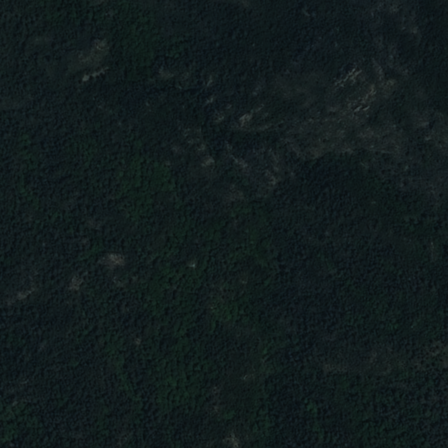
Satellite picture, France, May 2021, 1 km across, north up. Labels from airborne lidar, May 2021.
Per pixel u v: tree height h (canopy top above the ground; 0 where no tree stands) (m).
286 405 15
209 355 16
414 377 8
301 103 9
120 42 18
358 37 10
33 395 13
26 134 17
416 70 7
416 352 18
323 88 6
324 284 6
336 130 6
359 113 13
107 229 20
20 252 7
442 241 22
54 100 19
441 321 8
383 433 14
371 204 7
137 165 16
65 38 17
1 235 24
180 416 11
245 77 20
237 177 14
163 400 14
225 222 17
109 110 7
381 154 14
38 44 6
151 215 15
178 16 9
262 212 25
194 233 11
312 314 6
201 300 15
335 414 11
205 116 11
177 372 18
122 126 17
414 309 12
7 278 11
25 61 19
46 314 18
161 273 19
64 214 16
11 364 9
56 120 15
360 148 6
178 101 6
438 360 17
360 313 15
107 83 13
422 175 7
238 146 10
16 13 23
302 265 6
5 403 10
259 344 15
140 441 24
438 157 11
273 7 9
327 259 17
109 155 8
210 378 13
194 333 17
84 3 18
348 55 9
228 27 8
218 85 17
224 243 7
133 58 14
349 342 14
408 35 9
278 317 7
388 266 17
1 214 21
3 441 19
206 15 11
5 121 8
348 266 11
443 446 20
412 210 19
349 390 19
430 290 10
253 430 20
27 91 14
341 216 21
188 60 9
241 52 8
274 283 10
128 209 12
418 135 7
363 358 10
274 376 9
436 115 9
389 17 10
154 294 15
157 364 14
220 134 22
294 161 10
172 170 7
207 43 11
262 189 7
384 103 11
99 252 20
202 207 9
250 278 12
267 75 10
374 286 17
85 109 12
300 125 7
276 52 17
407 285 19
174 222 14
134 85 12
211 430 8
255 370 7
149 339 14
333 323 6
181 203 14
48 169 10
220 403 5
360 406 26
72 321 19
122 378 18
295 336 10
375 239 6
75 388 18
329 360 16
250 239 10
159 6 10
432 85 11
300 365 26
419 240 14
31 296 16
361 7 10
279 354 16
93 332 11
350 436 23
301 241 15
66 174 9
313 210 21
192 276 15
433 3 9
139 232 7
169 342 10
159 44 12
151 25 19
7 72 7
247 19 7
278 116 19
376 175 7
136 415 13
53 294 11
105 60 8
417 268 19
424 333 13
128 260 8
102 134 7
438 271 12
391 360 7
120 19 15
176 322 17
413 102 7
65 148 11
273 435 10
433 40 16
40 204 10
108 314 18
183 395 13
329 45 7
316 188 12
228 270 7
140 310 13
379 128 7
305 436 15
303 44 11
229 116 9
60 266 16
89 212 7
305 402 15
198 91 14
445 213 8
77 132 18
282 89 8
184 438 18
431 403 22
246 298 23
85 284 20
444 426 19
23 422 7
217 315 16
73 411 7
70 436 8
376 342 13
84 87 9
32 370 18
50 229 22
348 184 9
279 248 10
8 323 22
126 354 23
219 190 6
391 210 16
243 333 9
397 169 7
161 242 7
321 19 8
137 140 13
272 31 13
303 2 9
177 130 13
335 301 9
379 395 16
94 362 19
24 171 11
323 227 7
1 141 7
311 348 20
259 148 8
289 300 8
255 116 14
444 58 9
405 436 24
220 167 9
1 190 21
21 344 10
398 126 6
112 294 8
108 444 17
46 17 19
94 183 11
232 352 23
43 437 7
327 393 7
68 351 21
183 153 8
